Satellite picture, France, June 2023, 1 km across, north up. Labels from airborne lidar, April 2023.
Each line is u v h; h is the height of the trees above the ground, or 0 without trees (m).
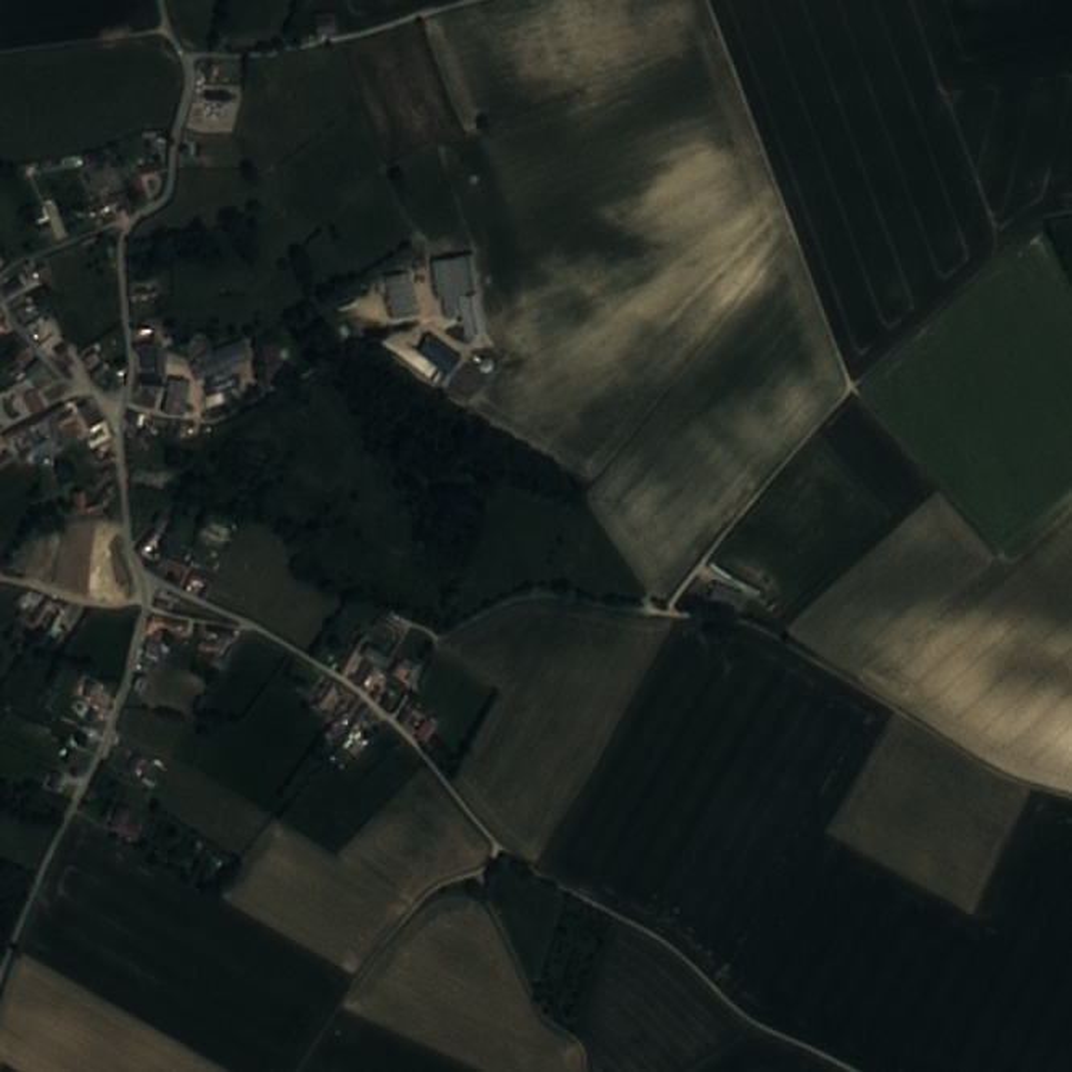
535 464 31
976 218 0
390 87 0
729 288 0
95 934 0
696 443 0
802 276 0
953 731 0
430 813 0
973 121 0
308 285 10
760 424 0
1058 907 0
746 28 0
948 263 0
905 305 0
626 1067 0
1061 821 0
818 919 0
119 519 0
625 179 0
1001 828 0
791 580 0
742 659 0
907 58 0
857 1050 0
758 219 0
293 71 0
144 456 0
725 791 0
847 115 0
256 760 0
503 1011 0
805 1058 0
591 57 0
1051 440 0
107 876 0
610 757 0
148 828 0
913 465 0
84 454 0
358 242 0
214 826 0
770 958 0
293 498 0
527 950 0
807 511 0
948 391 0
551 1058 0
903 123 0
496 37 0
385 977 0
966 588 0
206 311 0
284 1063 0
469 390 0
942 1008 0
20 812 8
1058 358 0
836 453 0
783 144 0
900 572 0
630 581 0
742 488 0
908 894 0
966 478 0
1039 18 0
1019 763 0
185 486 13
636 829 0
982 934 0
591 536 0
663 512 0
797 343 0
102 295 0
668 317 0
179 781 0
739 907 0
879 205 0
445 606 7
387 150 0
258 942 0
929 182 0
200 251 23
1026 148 0
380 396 10
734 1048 0
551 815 0
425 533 32
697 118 0
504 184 0
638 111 0
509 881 0
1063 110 0
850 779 0
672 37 0
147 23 0
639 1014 0
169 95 0
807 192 0
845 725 0
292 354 0
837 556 0
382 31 0
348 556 0
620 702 0
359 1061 0
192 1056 0
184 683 0
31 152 0
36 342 0
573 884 0
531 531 0
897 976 0
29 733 0
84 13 0
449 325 0
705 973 0
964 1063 0
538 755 0
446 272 0
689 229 0
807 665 0
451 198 0
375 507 0
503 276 0
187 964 0
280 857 0
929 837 0
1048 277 0
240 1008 0
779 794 0
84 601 0
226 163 0
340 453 0
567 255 0
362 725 0
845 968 0
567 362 0
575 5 0
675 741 0
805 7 0
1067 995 0
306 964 0
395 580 0
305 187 0
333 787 0
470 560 0
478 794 0
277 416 0
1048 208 0
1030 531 0
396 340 0
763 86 0
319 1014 0
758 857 0
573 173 0
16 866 9
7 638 7
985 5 0
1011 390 0
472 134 0
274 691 0
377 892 0
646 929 0
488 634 0
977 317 0
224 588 0
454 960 0
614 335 0
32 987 0
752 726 0
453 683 0
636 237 0
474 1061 0
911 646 0
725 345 0
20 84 0
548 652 0
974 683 0
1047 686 0
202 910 0
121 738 0
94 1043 0
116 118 0
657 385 0
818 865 0
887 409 0
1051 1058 0
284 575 0
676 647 0
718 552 0
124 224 0
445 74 0
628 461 0
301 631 0
